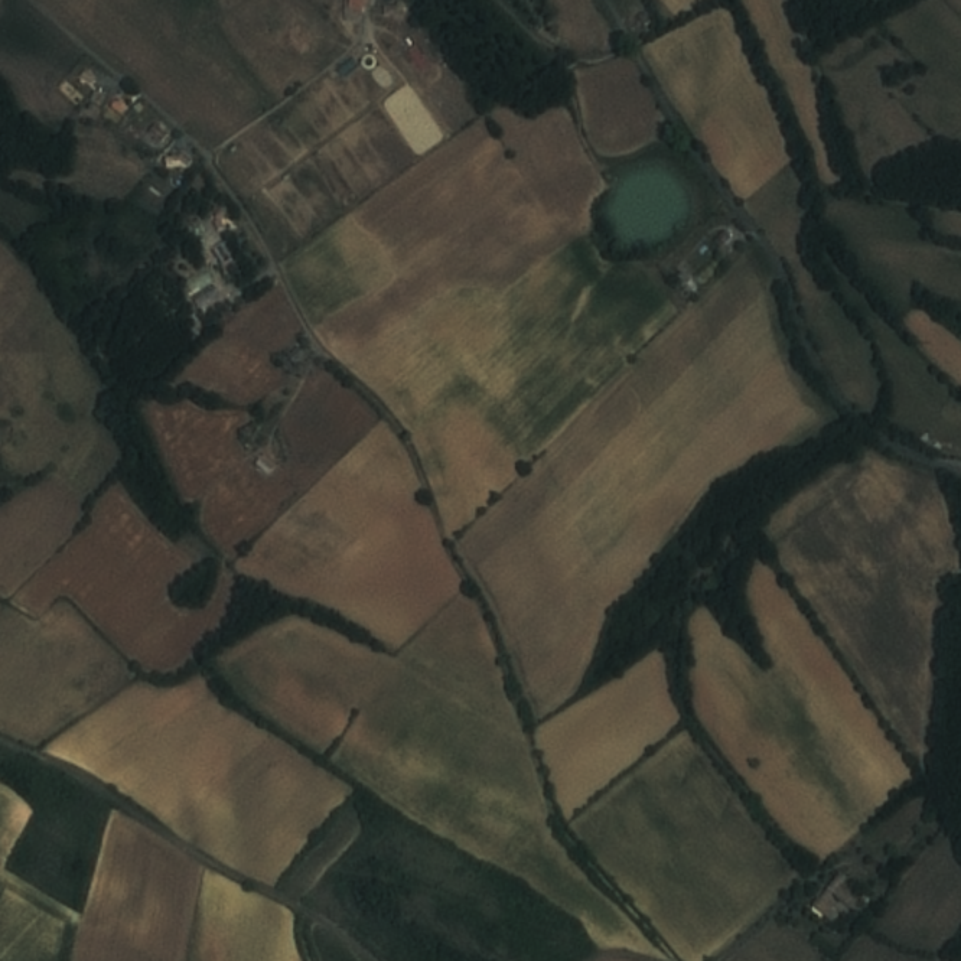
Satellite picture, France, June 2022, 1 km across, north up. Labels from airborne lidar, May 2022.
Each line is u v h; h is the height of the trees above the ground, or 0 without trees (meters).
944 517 0
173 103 0
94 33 0
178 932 0
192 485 0
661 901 0
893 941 9
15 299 0
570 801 0
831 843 0
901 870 14
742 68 0
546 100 11
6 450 0
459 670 0
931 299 10
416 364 0
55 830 0
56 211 8
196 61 0
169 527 9
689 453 0
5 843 0
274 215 0
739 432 0
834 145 17
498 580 0
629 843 0
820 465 20
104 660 0
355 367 0
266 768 0
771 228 0
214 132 0
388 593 0
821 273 23
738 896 0
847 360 0
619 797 0
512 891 6
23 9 0
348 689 0
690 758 0
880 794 0
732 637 14
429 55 0
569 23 0
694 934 0
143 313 11
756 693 0
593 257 0
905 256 0
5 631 0
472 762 0
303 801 0
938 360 0
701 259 0
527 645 0
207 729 0
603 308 0
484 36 26
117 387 12
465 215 0
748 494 21
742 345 0
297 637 0
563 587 0
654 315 0
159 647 0
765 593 0
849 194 18
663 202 0
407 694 0
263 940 0
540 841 0
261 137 0
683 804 0
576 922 7
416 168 0
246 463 0
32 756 7
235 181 0
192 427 0
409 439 10
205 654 26
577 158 0
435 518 0
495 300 0
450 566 0
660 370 0
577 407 0
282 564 0
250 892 9
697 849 0
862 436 26
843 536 0
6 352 0
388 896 7
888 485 0
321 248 0
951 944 13
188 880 0
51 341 0
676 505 0
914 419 0
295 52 0
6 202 0
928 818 12
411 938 7
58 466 0
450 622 0
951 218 0
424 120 0
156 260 12
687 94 0
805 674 0
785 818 0
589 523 0
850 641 0
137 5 0
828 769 0
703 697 0
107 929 0
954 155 19
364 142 0
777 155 0
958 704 19
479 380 0
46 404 0
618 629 7
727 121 0
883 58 0
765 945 0
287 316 0
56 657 0
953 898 0
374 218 0
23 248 17
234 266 6
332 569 0
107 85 0
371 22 0
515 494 0
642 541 0
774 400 0
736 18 15
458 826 0
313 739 0
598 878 7
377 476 0
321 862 0
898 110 0
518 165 0
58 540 0
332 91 0
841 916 13
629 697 0
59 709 0
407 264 0
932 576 0
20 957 0
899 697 0
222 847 0
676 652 13
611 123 0
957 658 20
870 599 0
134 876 0
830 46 19
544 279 0
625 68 0
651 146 0
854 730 0
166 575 0
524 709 7
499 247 0
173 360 7
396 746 0
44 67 0
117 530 0
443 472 0
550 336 0
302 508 0
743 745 0
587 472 0
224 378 0
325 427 0
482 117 10
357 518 0
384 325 0
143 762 0
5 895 0
